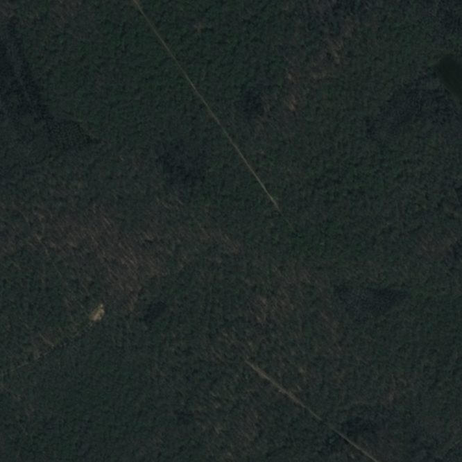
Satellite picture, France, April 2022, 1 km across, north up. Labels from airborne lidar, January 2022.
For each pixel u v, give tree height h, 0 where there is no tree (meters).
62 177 26
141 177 25
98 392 24
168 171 23
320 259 24
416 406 23
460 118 19
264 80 28
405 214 28
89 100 25
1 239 30
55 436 29
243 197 24
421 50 25
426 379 24
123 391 24
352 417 17
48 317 29
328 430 25
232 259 24
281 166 27
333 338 27
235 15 25
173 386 25
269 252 27
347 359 22
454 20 29
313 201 24
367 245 28
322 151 28
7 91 12
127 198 25
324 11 26
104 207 27
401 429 23
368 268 27
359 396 23
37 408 26
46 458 30
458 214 24
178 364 25
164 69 25
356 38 28
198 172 24
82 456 24
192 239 26
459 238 30
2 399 23
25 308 25
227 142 25
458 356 26
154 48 27
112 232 25
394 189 30
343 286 17
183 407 27
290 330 28
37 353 0
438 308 23
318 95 26
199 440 29
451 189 26
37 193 30
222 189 19
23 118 16
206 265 25
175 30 24
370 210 28
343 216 28
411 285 27
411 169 26
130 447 28
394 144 27
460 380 24
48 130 8
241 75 23
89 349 24
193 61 25
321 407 27
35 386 30
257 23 24
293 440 29
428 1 23
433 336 24
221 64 26
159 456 23
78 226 25
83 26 32
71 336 24
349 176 27
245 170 23
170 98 24
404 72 26
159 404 26
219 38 23
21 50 18
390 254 31
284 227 22
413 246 26
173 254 27
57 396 24
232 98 25
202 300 24
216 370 30
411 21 18
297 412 31
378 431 23
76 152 24
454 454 22
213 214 25
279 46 27
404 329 22
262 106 19
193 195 18
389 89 25
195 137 27
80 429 24
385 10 22
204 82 23
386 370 22
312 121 26
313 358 27
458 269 26
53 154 20
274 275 25
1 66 24
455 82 0
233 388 31
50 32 27
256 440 33
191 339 27
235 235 25
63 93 27
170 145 26
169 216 27
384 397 25
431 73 22
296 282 25
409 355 25
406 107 21
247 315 28
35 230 25
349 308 22
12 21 15
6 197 29
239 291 24
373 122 26
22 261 25
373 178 26
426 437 25
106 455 24
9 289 0
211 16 25
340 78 22
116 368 25
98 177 28
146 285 25
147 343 24
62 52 27
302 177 27
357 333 20
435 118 25
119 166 28
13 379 22
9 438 28
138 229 27
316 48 31
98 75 27
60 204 28
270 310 28
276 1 25
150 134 24
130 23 20
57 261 25
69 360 24
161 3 25
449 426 21
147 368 23
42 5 28
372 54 26
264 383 28
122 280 26
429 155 24
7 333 27
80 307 24
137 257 21
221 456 31
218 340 27
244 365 26
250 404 29
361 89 24
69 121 23
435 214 25
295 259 27
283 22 28
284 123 28
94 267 26
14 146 25
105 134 27
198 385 28
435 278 28
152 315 23
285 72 28
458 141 21
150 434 25
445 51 25
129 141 25
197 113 27
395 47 25
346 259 26
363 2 28
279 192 22
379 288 24
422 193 24
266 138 25
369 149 25
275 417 31
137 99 28
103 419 23
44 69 23
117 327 24
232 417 30
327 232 21
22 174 24
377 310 20
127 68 25
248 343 28
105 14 27
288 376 26
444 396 26
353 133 21
